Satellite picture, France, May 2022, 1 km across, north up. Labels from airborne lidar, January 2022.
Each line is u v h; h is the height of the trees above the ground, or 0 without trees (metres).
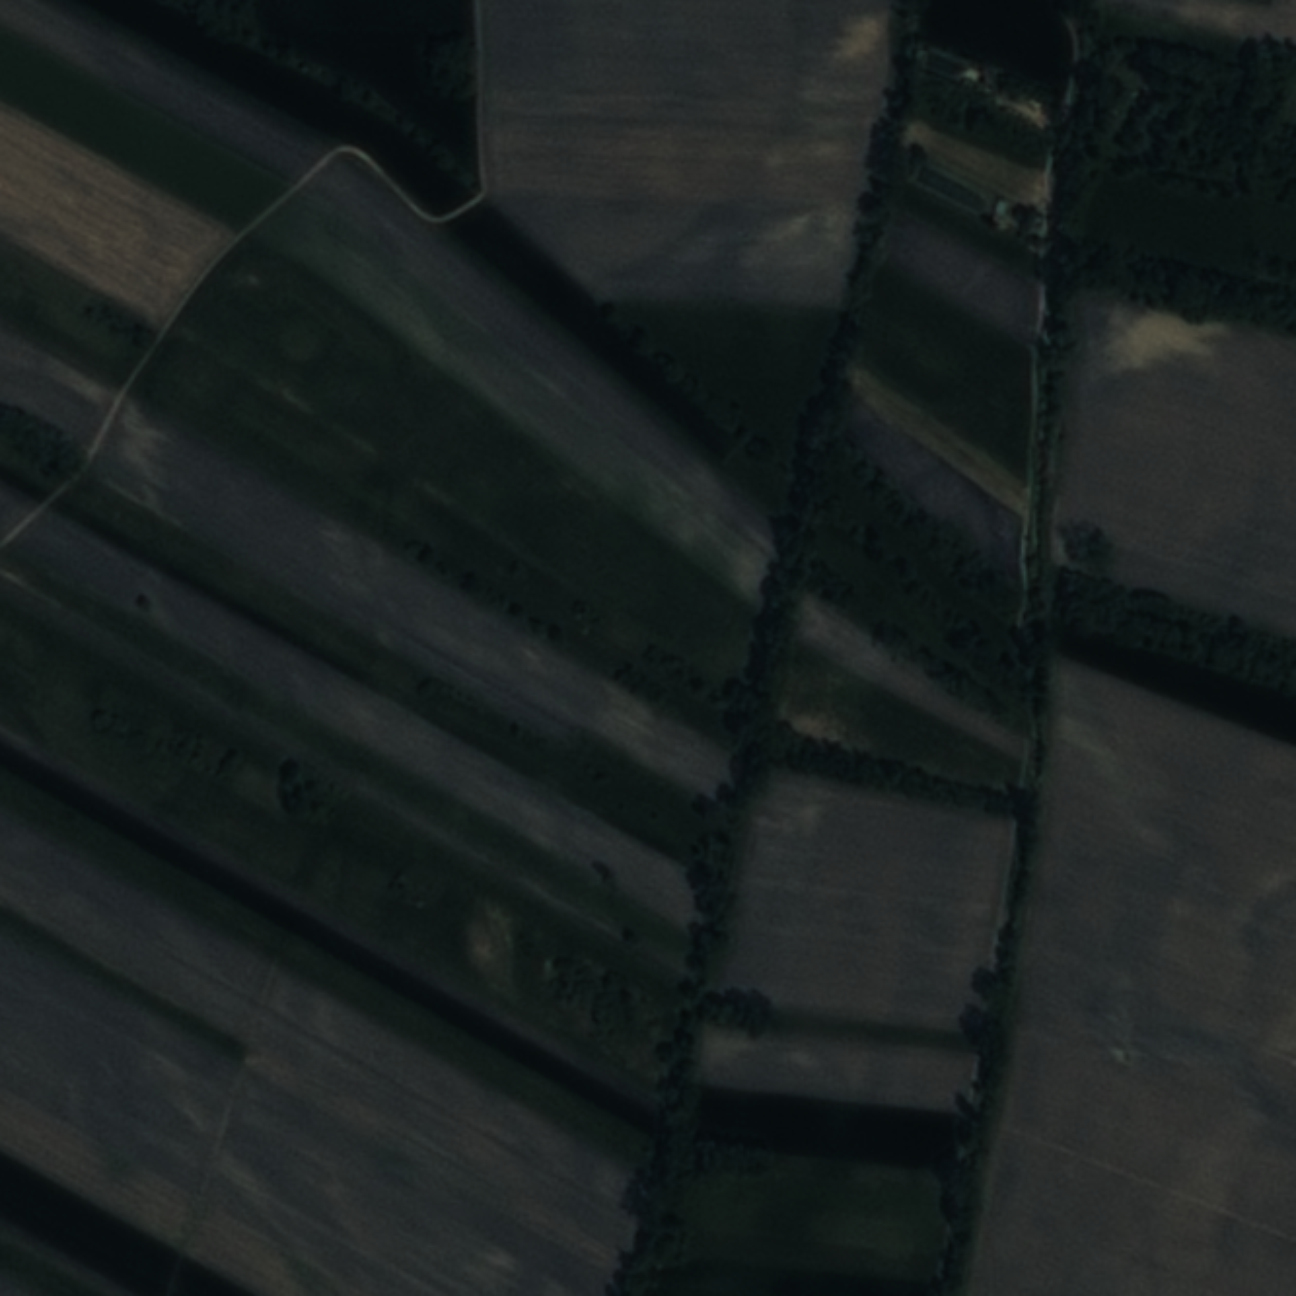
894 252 0
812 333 0
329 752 0
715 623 0
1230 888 0
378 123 0
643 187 0
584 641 0
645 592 0
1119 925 0
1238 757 0
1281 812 0
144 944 0
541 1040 0
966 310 0
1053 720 0
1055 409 8
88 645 0
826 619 0
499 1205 0
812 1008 0
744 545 0
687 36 0
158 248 0
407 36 0
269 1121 0
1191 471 0
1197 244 0
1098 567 20
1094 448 0
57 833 0
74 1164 0
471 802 0
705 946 18
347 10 0
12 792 0
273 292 0
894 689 0
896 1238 0
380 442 0
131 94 0
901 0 26
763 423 0
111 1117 0
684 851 0
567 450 0
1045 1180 0
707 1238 0
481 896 0
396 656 0
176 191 0
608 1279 0
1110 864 0
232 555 0
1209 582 0
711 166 0
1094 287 18
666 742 0
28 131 0
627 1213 0
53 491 0
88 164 0
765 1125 0
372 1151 0
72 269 0
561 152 0
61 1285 0
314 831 0
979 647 21
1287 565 0
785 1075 0
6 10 0
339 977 0
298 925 0
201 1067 0
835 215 0
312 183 0
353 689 0
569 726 0
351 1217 0
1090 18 15
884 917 0
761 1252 0
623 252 0
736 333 0
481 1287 0
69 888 0
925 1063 0
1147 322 0
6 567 0
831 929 0
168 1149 0
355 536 0
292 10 0
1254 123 10
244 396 0
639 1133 0
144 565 0
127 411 0
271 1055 0
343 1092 0
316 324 0
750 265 0
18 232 0
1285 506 0
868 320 0
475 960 0
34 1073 0
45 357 0
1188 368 0
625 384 0
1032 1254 0
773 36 0
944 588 0
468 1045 0
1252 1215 0
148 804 0
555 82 0
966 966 0
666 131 0
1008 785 0
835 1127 0
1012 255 0
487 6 0
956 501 0
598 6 0
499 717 0
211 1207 0
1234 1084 0
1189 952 0
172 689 0
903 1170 0
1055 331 22
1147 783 0
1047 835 0
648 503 0
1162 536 0
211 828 0
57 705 0
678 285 0
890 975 0
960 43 0
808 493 22
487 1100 0
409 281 0
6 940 0
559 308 0
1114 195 0
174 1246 0
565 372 0
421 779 0
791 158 0
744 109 0
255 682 0
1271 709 0
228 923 0
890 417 0
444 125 0
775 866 0
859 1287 0
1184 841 0
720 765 0
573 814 0
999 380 0
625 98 0
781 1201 0
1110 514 0
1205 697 0
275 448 0
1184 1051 0
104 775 0
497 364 0
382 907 0
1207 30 0
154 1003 0
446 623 0
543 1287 0
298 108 0
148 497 0
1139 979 0
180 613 0
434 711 0
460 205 0
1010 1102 0
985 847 0
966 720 0
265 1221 0
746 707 19
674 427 0
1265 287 6
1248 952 0
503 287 0
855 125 0
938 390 0
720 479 0
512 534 0
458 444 0
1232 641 12
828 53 0
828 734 0
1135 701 0
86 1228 0
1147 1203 0
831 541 0
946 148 0
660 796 0
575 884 0
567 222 0
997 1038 28
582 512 0
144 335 12
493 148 0
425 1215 0
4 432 13
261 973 0
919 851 0
